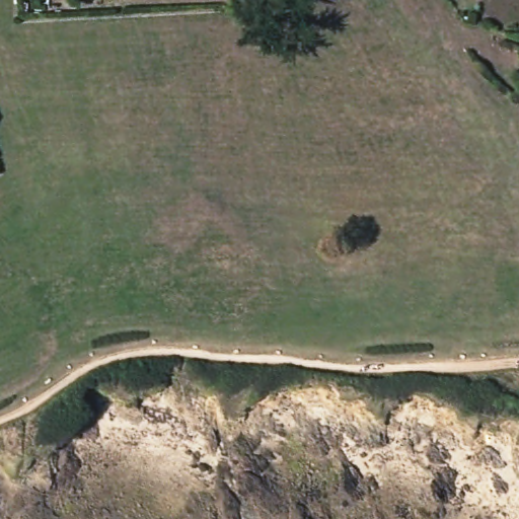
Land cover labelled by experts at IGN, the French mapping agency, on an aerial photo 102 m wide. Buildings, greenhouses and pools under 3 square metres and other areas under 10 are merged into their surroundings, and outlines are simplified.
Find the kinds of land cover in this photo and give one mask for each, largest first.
<instances>
[{"label":"herbaceous vegetation","instance_id":"1","mask_svg":"<svg viewBox=\"0 0 519 519\"><path fill-rule=\"evenodd\" d=\"M152 2H215L213 8L107 16L28 18L22 24H12L8 20L18 14V0H0V395H16L20 401L30 399L45 391V379L59 381L63 375H67V371L85 363L89 359V353H93L95 349L93 339L114 332L148 330L150 339L160 347L195 345L197 349L213 353H280L332 363H361L359 355H367L365 347L397 343H432L434 351L430 353L434 361L460 357L489 359L503 355L509 349H519V103L511 99L509 93H501L495 83H491L483 75V67L468 57V49H476L483 57H487L505 79H509V75L515 69L519 75V51L505 47V32L511 30L513 24H519V0H458V4L464 10H476L478 4L485 6L483 16L499 18L503 22L501 30H495L462 24L454 8L444 0H314V14L306 16V24L310 28H322L320 36L330 47H320L312 55H296L294 59L284 63L282 57L266 55L257 45H237L243 34V24H239L233 16L235 4L231 0H114L116 6ZM351 217L375 219V223L379 225V235L375 243L351 251L347 243L337 241V231ZM187 365L191 379L203 381V385L209 387L213 395H235L241 389H253L266 399L268 395L278 393L280 389H304L308 383L314 381L324 389L332 385H337L339 389L353 387L355 391L363 393L365 399H397L403 405L412 399V395H426L430 399H440L444 405L456 410V414L462 418L491 414L503 416L505 420H519V399L501 393L493 385H487L485 377L489 375V371L351 373L337 369L302 367L292 363H235L180 355H150L101 365L85 373L65 389H61L57 395H53L49 401H45L32 412L36 414L34 424L39 444H57L65 438H71L75 442L77 438H83L91 428H95L105 410L109 407L107 397L97 393L99 385H112L114 389L120 385L126 391H164L172 385L174 367Z\"/></svg>","mask_w":519,"mask_h":519},{"label":"bare soil","instance_id":"2","mask_svg":"<svg viewBox=\"0 0 519 519\"><path fill-rule=\"evenodd\" d=\"M97 393L107 397L109 407L105 410L95 428H91L83 438H77L75 442L71 438H65L57 444H39L34 424L36 414L32 412L10 422L0 420V519H519V420H505L503 416L491 414L462 418L456 414V410L444 405L440 399H430L426 395H412V399L403 405L397 399H365L363 393L355 391L353 387L339 389L337 385H332L324 389L314 381L308 383L304 389H280L278 393L268 395L266 399L253 389H241L235 395H213L209 387L203 385V381L191 379L187 365L174 367L172 385L164 391H126L120 385L114 389L112 385H99ZM487 385H493L501 393L519 399V367L489 371V375L485 377Z\"/></svg>","mask_w":519,"mask_h":519},{"label":"pervious surface","instance_id":"3","mask_svg":"<svg viewBox=\"0 0 519 519\"><path fill-rule=\"evenodd\" d=\"M47 12L67 10L71 4L69 0H41ZM150 355H180L235 363H292L302 367L337 369L351 373L489 371L519 367V349H509L503 355L489 359L460 357L434 361L430 353L403 357L367 355H359L361 363H332L280 353H213L197 349L195 345L160 347L150 339L95 349L93 353H89V359L85 363L67 371V375H63L59 381L45 379V391L30 399L20 401L16 395H0V420L10 422L32 412L45 401H49L53 395H57L61 389H65L85 373L101 365Z\"/></svg>","mask_w":519,"mask_h":519},{"label":"brushwood","instance_id":"4","mask_svg":"<svg viewBox=\"0 0 519 519\"><path fill-rule=\"evenodd\" d=\"M71 4L67 10L47 12L41 0H18V14L8 20L12 24H22L28 18L107 16L213 8L215 2H152L116 6L114 0H69ZM454 8L462 24L495 30H501L503 22L499 18L483 16L485 6L478 4L476 10H464L458 4V0H444ZM505 47L519 51V24H513L511 30L505 32ZM468 57L483 67V75L491 83H495L501 93H509L511 99L519 103V75L515 69L509 75V79H505L487 57H483L476 49H468ZM379 235V225L375 223V219L351 217L337 231V241L347 243L351 251L375 243ZM150 339L148 330L114 332L93 339L95 349ZM434 351L432 343H397L365 347L367 355L403 357L430 353Z\"/></svg>","mask_w":519,"mask_h":519},{"label":"deciduous trees","instance_id":"5","mask_svg":"<svg viewBox=\"0 0 519 519\"><path fill-rule=\"evenodd\" d=\"M235 4L233 16L239 24H243V34L237 45H257L266 55L282 57L284 63L294 59L296 55H312L320 47H330L320 36L322 28H310L306 24V16L314 14V0H231Z\"/></svg>","mask_w":519,"mask_h":519}]
</instances>
